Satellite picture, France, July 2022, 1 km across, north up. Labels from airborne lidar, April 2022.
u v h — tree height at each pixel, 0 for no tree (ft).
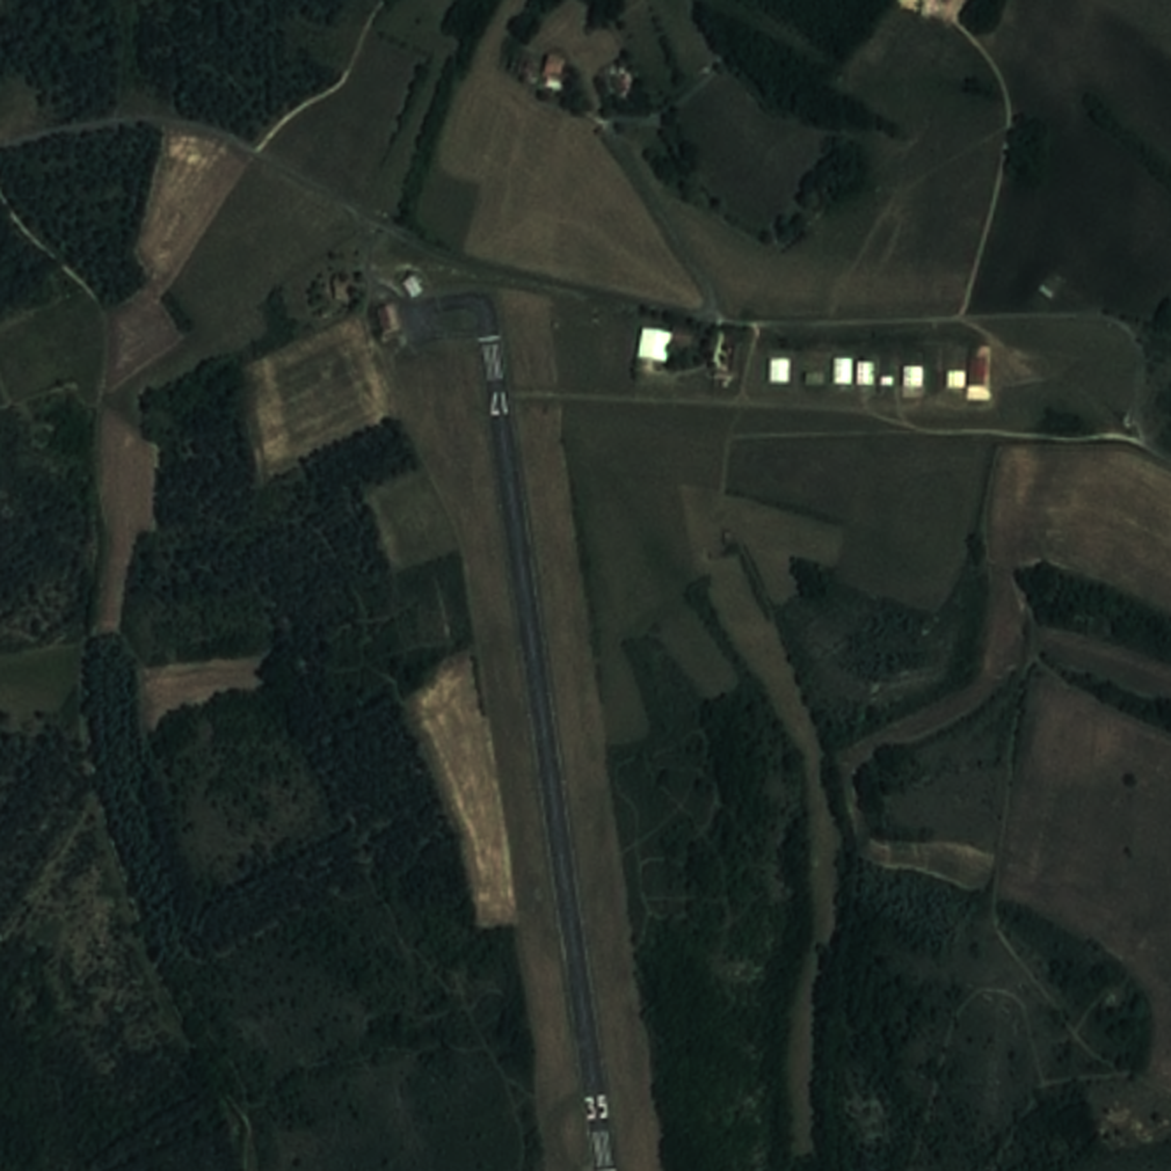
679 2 0
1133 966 0
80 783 48
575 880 0
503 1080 0
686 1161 27
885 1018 29
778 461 0
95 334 0
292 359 0
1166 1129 0
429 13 0
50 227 46
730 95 0
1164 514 0
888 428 0
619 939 0
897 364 0
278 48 50
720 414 0
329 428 0
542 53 0
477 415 0
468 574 0
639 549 0
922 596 0
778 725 34
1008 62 0
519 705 0
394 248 0
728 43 47
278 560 48
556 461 0
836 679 0
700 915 21
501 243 0
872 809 24
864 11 41
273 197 0
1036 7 0
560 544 0
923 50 0
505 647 0
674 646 0
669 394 0
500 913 0
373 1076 0
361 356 0
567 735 0
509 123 0
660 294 0
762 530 0
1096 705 0
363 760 52
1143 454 0
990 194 0
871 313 0
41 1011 23
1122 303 0
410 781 44
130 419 0
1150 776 0
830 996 55
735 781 31
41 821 56
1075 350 0
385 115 0
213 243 0
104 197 23
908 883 28
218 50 50
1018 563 0
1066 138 0
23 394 0
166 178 0
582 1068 0
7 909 36
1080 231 0
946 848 0
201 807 0
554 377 0
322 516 38
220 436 52
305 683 67
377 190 0
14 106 0
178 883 51
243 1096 25
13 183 45
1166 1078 0
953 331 0
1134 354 0
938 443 0
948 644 0
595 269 0
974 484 0
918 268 0
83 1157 21
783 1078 32
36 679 0
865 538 0
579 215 0
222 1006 26
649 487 0
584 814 0
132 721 85
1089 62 0
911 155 0
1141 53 0
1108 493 0
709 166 0
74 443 33
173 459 31
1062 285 0
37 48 40
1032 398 0
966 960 0
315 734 49
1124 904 0
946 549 0
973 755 0
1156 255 0
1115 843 0
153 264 0
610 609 0
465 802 0
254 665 0
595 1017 0
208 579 46
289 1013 0
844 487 0
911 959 0
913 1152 26
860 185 31
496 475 0
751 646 0
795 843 55
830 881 0
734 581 0
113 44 52
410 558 0
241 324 0
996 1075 0
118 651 59
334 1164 0
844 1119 22
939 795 0
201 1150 54
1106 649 0
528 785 0
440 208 0
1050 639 0
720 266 0
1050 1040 0
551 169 0
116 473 0
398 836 43
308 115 0
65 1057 18
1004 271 0
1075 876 0
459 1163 0
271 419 0
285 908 46
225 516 38
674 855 26
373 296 0
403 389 0
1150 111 0
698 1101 27
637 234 0
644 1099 0
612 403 0
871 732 18
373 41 0
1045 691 0
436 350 0
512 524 0
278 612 37
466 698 0
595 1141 0
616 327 0
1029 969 0
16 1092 26
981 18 44
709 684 0
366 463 46
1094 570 0
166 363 0
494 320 0
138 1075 27
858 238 0
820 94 51
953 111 0
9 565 33
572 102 26
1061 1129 24
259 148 0
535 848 0
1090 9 0
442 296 0
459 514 0
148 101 0
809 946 38
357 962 25
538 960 0
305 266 0
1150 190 0
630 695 0
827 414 0
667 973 36
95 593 43
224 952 43
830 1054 43
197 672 0
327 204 0
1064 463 0
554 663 0
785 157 0
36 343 0
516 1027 24
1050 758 0
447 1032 29
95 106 35
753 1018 31
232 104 44
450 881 19
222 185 0
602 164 0
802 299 0
